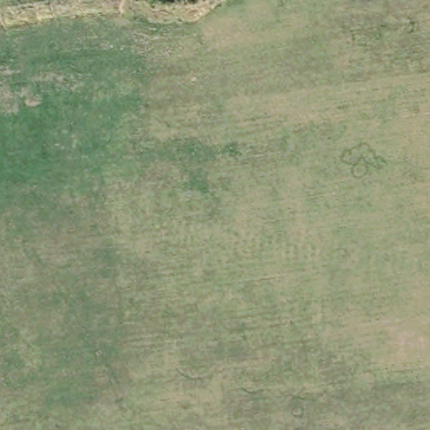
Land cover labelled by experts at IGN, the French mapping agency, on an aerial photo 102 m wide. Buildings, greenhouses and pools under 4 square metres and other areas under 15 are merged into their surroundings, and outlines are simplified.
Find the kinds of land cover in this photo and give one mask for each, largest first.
<instances>
[{"label":"herbaceous vegetation","instance_id":"1","mask_svg":"<svg viewBox=\"0 0 430 430\"><path fill-rule=\"evenodd\" d=\"M0 430H430V0H0Z\"/></svg>","mask_w":430,"mask_h":430}]
</instances>
